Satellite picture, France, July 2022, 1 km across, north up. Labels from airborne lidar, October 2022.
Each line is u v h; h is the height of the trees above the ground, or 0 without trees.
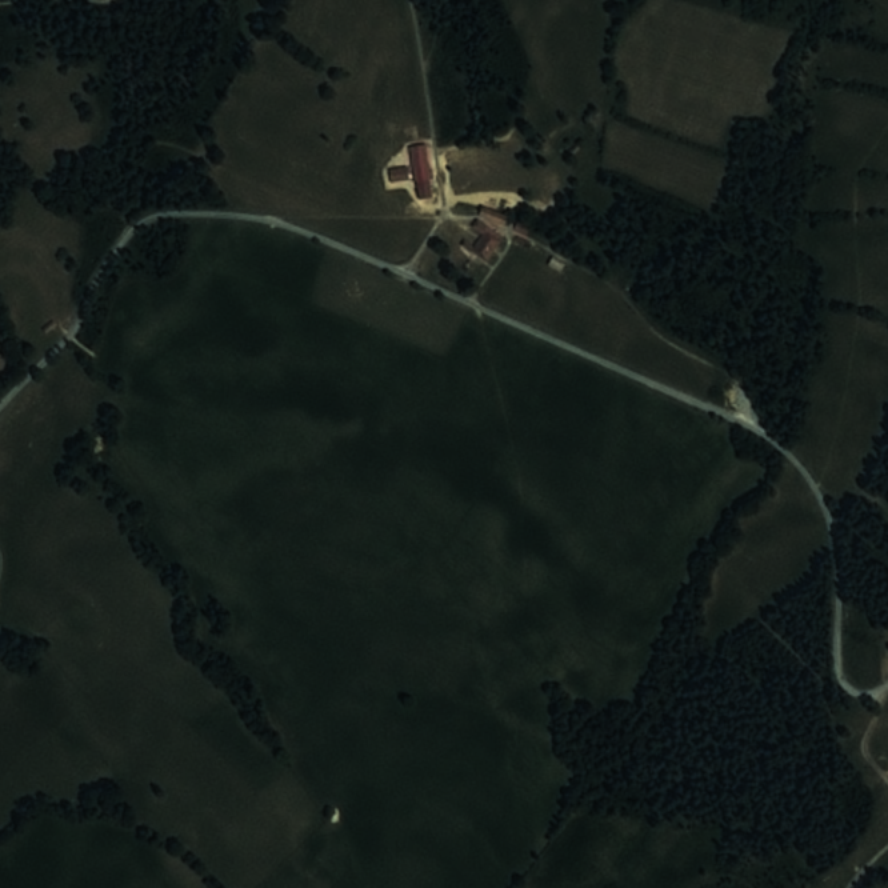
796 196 27
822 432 0
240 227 0
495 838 0
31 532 0
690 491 0
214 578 0
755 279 16
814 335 26
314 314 0
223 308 0
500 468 0
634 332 0
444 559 0
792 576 0
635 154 0
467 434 0
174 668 0
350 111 0
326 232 0
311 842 0
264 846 0
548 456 0
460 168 0
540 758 0
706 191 0
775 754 35
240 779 0
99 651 0
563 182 0
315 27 0
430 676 0
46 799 17
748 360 26
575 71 0
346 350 0
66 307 0
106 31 20
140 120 25
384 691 0
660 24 0
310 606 0
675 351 0
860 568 30
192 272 0
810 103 13
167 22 19
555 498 0
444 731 0
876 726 0
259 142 0
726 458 0
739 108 0
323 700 0
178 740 0
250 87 0
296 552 0
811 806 27
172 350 0
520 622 0
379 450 0
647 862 0
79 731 0
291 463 0
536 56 0
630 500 0
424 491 0
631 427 0
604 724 13
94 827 0
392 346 0
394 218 0
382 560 0
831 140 0
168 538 0
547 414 0
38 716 0
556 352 0
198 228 0
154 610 0
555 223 23
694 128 0
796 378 17
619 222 23
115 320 0
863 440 0
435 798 0
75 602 0
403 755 0
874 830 0
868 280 0
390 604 0
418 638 0
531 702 0
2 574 0
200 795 0
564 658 0
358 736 0
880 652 0
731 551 21
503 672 0
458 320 0
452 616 0
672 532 0
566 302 0
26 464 0
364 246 0
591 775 22
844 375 0
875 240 0
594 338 0
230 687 8
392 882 0
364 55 0
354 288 0
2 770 0
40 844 0
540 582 0
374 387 0
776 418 29
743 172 11
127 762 0
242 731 0
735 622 0
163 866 0
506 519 0
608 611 0
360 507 0
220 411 0
